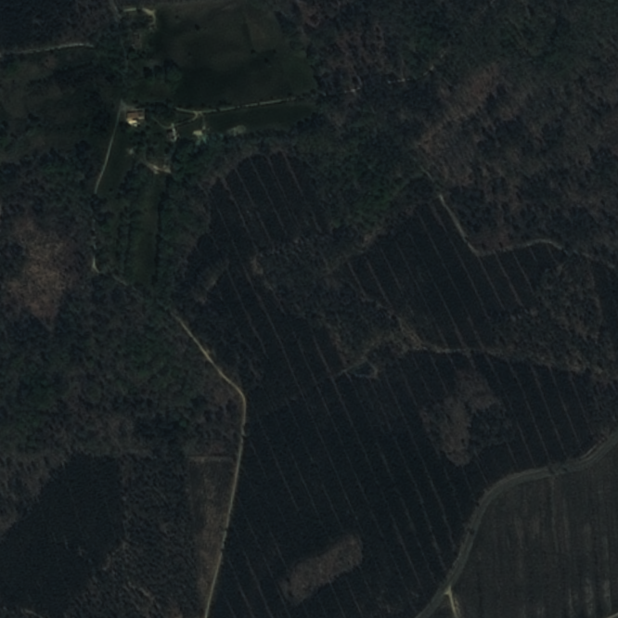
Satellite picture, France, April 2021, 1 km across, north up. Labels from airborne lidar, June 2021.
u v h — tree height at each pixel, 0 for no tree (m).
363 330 21
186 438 11
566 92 12
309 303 26
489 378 12
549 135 17
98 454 18
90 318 19
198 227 21
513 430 11
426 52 19
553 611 0
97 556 11
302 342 10
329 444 9
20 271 24
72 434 12
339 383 9
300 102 9
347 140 17
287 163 10
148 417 15
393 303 7
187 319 18
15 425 16
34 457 12
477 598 0
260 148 16
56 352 15
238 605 10
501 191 18
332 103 18
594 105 11
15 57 8
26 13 13
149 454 13
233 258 10
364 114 9
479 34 21
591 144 11
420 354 8
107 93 0
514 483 0
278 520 11
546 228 10
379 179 25
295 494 10
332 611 10
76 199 10
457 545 9
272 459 10
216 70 0
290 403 9
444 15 16
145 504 20
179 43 0
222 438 19
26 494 18
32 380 16
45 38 15
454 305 10
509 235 9
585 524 0
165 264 20
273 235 12
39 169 7
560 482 0
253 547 10
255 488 9
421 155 16
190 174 8
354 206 24
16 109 0
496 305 8
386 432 9
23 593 13
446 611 0
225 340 10
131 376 17
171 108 10
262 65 0
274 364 13
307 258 20
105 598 8
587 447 9
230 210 9
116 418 17
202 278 25
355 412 11
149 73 11
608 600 0
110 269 9
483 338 9
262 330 11
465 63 12
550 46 23
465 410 10
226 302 11
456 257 10
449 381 9
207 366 12
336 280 12
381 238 7
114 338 18
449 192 11
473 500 7
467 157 17
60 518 13
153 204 0
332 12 20
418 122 12
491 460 10
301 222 8
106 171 0
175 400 12
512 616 0
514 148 14
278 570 9
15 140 14
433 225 10
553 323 23
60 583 14
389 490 12
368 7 24
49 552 15
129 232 9
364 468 12
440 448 10
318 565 9
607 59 17
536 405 10
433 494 12
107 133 10
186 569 17
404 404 8
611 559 0
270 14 16
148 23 8
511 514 0
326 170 16
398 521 9
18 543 14
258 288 10
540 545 0
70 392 12
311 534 11
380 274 10
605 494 0
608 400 23
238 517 9
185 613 19
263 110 0
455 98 11
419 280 9
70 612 21
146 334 10
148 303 19
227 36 0
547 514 0
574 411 8
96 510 12
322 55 15
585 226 18
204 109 11
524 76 21
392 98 26
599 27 13
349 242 27
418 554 11
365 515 9
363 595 8
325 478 9
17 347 14
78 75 10
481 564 0
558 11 9
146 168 11
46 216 19
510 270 8
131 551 21
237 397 10
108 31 11
